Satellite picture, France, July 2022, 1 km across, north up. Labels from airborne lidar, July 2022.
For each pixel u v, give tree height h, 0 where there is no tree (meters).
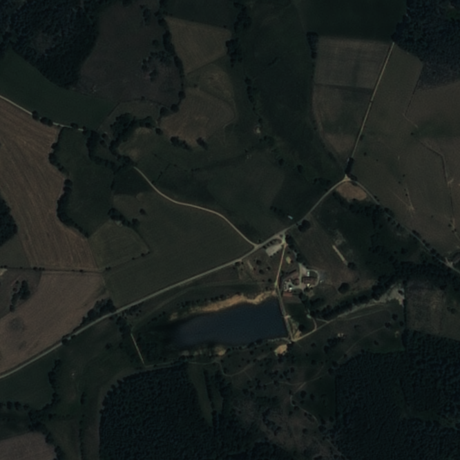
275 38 0
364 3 0
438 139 0
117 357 0
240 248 0
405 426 15
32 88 0
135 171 0
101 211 0
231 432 23
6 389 0
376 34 0
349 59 0
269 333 0
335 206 0
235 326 0
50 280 0
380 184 0
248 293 0
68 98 0
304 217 0
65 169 15
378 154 0
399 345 0
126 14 0
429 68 0
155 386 15
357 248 0
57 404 12
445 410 19
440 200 0
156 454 19
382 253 9
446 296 0
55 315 0
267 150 0
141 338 6
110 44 0
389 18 0
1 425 0
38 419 11
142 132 0
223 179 0
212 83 0
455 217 0
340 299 0
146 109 0
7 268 7
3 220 14
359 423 20
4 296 0
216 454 19
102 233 0
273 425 14
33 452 0
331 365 0
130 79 0
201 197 0
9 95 0
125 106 0
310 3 0
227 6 0
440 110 0
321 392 0
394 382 11
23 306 0
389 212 15
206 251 0
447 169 0
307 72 0
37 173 0
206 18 0
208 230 0
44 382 0
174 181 0
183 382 18
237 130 0
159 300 0
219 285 0
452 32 31
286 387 0
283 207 0
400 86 0
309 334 0
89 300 0
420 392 15
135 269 0
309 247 0
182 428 17
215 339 0
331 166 0
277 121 0
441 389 13
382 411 17
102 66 0
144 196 0
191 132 0
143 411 12
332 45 0
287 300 0
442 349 12
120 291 0
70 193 11
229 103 0
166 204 0
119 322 10
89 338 0
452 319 0
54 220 0
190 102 0
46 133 0
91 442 0
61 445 0
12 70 0
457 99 0
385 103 0
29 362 0
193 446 17
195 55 0
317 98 0
